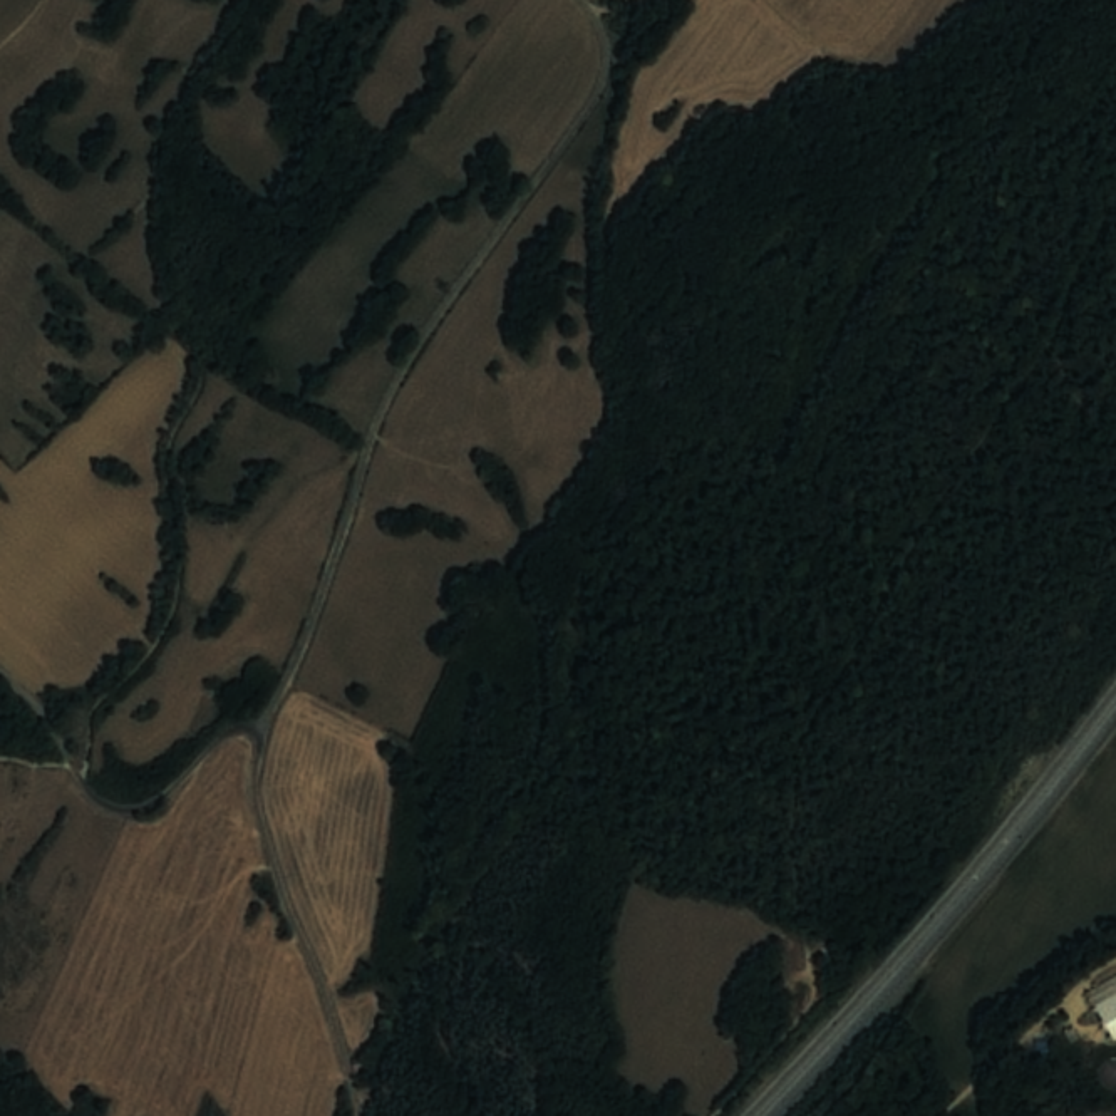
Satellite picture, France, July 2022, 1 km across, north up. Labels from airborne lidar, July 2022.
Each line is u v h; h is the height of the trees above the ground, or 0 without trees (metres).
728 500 16
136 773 7
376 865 0
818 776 14
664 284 22
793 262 19
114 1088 0
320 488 0
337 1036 0
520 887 16
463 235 0
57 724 18
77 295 0
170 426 11
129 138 0
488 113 0
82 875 0
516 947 17
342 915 0
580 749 18
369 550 0
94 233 0
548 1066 14
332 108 17
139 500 0
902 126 20
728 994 14
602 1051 8
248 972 0
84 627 0
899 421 18
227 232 17
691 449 12
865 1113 15
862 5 0
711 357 18
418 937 24
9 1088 14
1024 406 18
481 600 20
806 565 16
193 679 0
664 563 15
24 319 0
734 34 0
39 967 0
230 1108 0
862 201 20
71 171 19
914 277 17
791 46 0
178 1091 0
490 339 0
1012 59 26
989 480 19
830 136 21
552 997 10
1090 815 0
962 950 0
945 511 16
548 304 17
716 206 22
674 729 17
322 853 0
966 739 13
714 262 23
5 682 14
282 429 0
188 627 0
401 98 0
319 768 0
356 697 13
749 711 18
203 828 0
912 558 6
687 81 0
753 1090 12
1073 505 16
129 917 0
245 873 0
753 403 19
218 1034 0
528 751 8
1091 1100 12
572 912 12
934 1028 0
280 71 15
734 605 14
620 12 9
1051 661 12
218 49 9
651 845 15
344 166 14
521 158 0
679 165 17
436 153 0
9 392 0
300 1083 0
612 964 12
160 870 0
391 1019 10
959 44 19
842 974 19
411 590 0
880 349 21
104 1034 0
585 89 0
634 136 0
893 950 14
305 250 10
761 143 22
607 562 20
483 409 0
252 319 9
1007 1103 17
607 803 20
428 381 0
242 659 0
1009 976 0
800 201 18
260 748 0
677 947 0
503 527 0
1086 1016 0
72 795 0
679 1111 16
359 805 0
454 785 11
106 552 0
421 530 10
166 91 0
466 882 19
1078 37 19
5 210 15
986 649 14
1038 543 15
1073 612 12
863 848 16
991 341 16
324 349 0
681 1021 0
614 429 18
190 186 21
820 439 18
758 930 0
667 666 14
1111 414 17
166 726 0
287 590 0
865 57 0
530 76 0
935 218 18
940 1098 19
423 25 0
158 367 0
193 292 10
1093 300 17
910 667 15
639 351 20
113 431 0
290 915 0
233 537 0
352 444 14
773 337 17
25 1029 0
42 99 17
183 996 0
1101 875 0
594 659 17
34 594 0
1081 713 9
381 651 0
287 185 24
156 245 16
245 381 17
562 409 0
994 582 14
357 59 16
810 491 19
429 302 0
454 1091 14
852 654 15
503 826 18
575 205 0
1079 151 16
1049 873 0
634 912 0
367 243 0
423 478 0
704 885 13
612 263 22
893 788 13
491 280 0
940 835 13
